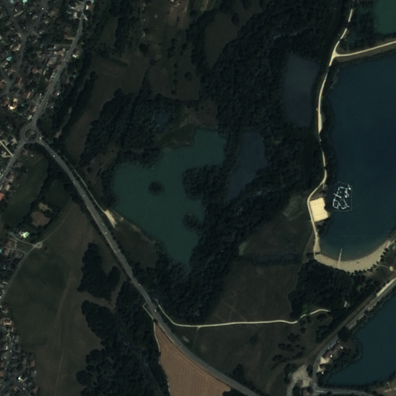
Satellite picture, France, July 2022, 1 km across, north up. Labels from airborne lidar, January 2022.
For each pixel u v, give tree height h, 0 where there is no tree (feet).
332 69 54
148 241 0
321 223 0
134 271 46
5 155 0
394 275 0
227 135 37
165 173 0
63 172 28
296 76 0
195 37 50
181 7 0
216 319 0
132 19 33
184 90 0
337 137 0
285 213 0
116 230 0
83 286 63
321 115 0
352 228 0
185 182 33
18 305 0
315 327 0
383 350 0
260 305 0
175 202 0
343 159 0
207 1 0
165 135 0
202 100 23
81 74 37
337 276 70
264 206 63
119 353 73
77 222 0
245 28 42
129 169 0
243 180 0
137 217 0
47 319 0
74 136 0
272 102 20
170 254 0
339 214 0
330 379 0
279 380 0
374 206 0
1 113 0
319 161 24
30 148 36
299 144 61
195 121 0
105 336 64
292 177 30
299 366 0
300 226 0
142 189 0
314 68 0
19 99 0
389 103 0
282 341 0
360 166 0
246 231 68
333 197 0
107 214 0
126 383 75
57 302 0
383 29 0
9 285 0
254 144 0
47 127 0
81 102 78
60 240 0
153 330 0
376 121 0
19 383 0
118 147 0
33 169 0
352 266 0
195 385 0
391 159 0
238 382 24
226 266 69
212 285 45
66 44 0
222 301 0
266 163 0
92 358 38
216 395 0
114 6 38
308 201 0
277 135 82
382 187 0
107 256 0
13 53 34
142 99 27
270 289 0
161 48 0
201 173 22
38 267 0
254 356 0
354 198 0
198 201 0
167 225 0
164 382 43
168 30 0
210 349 0
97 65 0
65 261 0
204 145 0
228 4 77
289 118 0
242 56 70
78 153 0
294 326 0
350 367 0
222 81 55
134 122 87
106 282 46
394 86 0
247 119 22
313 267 63
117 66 0
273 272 0
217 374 0
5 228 21
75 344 0
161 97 47
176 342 0
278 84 64
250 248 0
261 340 0
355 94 0
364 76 0
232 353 0
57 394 0
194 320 49
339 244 0
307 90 0
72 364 0
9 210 0
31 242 27
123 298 61
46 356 0
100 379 60
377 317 0
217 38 0
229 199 0
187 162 0
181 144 0
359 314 0
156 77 0
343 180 0
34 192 0
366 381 0
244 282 0
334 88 0
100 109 0
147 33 33
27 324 0
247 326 0
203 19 61
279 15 78
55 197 0
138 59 0
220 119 33
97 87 0
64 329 0
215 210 73
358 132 0
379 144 0
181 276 63
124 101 50
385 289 0
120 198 0
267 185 67
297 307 69
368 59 0
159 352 55
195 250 45
